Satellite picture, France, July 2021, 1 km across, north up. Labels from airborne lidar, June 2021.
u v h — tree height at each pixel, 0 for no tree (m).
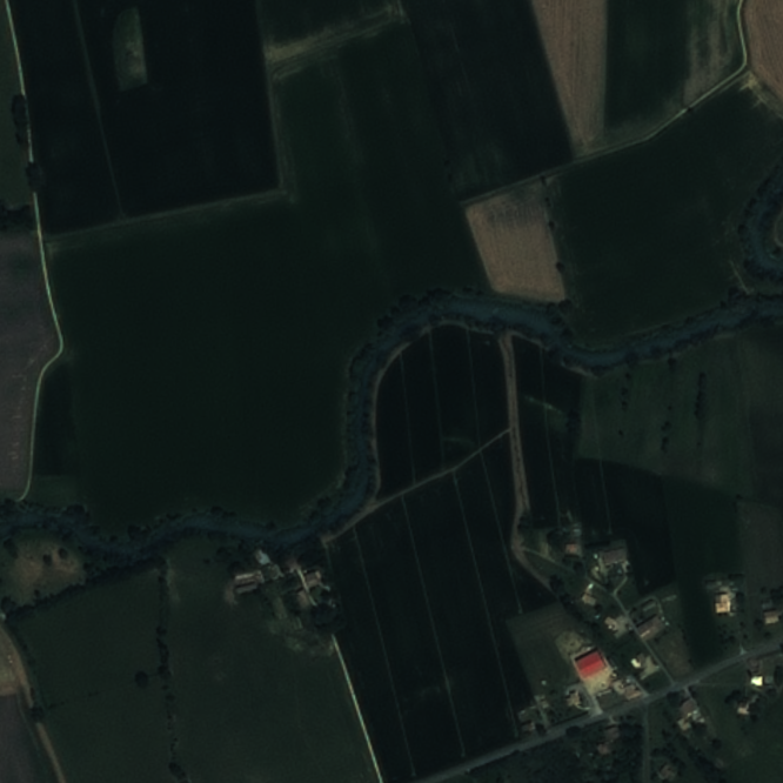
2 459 0
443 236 0
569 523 0
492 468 0
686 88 0
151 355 0
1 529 0
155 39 0
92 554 16
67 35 0
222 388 0
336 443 0
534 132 0
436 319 13
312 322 0
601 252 0
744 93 0
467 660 0
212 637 0
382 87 0
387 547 0
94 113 0
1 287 0
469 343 0
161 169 0
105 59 0
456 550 0
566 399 0
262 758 0
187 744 0
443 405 0
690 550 0
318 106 0
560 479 0
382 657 0
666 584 0
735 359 0
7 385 0
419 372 0
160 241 0
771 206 12
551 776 9
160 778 0
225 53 0
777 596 10
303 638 0
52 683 0
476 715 0
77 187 0
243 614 0
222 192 0
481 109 0
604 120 0
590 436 0
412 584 0
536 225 0
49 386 0
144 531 16
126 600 0
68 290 0
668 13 0
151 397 0
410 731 0
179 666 0
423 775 0
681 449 0
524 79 0
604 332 0
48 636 0
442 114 0
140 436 0
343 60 0
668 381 0
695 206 0
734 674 0
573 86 0
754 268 19
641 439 0
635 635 9
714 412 0
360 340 0
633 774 11
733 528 0
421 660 0
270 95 0
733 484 0
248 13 0
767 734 0
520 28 0
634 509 0
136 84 0
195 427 0
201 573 0
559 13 0
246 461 0
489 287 0
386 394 0
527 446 0
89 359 0
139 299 0
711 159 0
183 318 0
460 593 0
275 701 0
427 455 0
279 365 0
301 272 0
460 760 0
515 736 0
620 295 0
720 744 12
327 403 0
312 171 0
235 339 0
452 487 0
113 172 0
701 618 0
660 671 0
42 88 0
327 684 0
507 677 0
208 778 0
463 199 0
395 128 0
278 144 0
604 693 0
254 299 0
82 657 0
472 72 0
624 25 0
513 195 0
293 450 0
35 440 0
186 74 0
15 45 0
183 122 0
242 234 0
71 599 13
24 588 0
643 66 0
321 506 11
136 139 0
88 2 0
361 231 0
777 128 0
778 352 0
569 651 0
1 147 0
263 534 0
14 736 0
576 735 14
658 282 0
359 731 0
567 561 9
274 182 0
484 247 0
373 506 0
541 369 0
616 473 0
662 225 0
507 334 18
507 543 0
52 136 0
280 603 0
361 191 0
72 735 0
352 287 0
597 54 0
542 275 0
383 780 0
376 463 10
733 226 0
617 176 0
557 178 0
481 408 0
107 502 0
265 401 0
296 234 0
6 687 0
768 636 7
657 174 0
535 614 0
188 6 0
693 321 9
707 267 0
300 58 0
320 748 0
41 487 0
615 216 0
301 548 7
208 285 0
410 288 0
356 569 0
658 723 0
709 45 0
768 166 0
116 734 0
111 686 0
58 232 0
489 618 0
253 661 0
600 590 0
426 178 0
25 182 0
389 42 0
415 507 0
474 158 0
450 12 0
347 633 0
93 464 0
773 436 0
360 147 0
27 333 0
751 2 0
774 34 0
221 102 0
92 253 0
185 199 0
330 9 0
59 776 0
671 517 0
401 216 0
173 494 0
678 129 0
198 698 0
